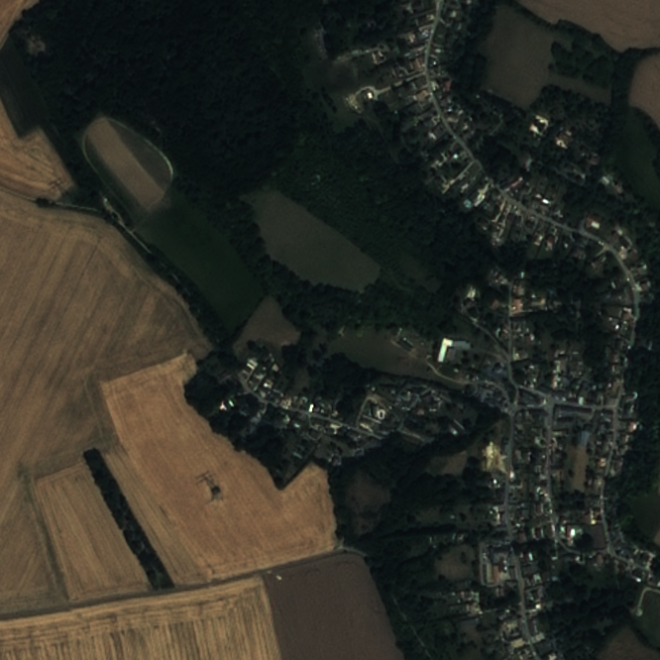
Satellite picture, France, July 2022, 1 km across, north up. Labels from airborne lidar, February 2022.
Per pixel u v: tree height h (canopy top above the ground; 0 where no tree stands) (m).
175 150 21
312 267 0
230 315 0
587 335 7
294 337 0
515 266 8
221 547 0
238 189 16
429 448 12
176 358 0
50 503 0
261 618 0
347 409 17
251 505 0
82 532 0
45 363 0
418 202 22
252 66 24
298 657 0
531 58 0
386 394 0
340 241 0
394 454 9
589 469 7
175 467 0
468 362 12
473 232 26
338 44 14
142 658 0
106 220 10
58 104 20
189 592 0
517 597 17
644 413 15
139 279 0
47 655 0
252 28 24
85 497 0
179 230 0
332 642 0
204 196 21
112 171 0
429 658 10
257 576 0
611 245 0
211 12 23
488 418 20
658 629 0
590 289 12
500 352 0
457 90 15
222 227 20
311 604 0
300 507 0
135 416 0
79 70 24
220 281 0
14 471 0
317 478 0
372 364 0
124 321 0
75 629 0
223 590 0
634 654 0
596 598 13
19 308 0
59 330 0
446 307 6
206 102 25
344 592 0
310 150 9
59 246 0
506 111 14
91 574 0
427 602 16
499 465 0
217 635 0
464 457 0
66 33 26
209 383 23
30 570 0
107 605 0
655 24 0
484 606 14
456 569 0
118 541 0
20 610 0
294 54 12
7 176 0
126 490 0
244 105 20
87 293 0
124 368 0
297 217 0
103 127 0
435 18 0
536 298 0
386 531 9
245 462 0
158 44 21
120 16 23
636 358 17
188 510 0
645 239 15
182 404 0
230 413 10
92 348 0
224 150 22
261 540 0
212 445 0
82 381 0
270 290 12
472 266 25
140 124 23
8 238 0
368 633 0
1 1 0
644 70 0
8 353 0
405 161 16
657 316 15
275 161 16
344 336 0
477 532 10
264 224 0
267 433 20
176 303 0
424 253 15
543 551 8
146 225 0
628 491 11
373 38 19
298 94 11
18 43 9
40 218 0
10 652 0
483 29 23
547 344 0
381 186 21
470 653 0
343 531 9
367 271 0
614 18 0
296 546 0
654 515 0
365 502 0
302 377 0
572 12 0
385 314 19
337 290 10
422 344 0
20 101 0
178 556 0
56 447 0
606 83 15
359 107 0
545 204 0
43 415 0
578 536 0
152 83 25
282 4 22
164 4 20
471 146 7
